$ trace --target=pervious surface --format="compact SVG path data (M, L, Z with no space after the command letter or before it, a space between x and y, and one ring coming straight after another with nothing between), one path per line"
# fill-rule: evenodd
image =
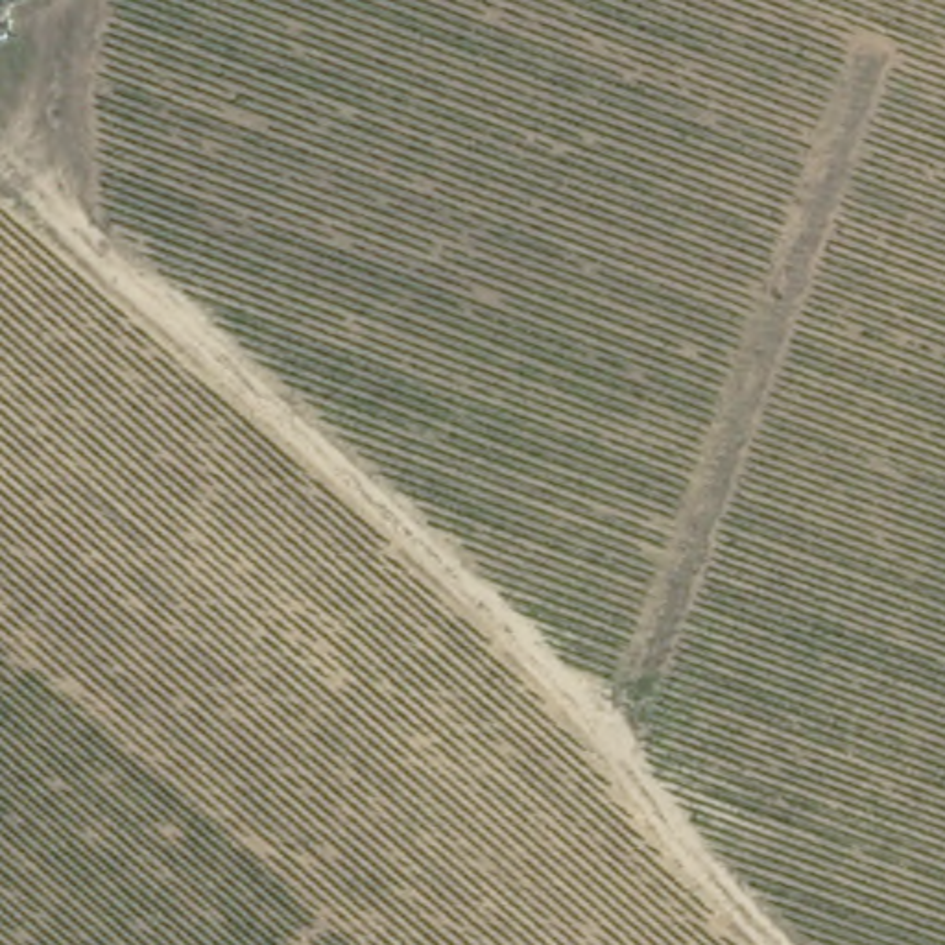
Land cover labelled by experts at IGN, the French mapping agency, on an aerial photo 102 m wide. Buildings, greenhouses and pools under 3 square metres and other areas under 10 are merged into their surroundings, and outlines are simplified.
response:
M321 421L292 413L292 406L281 399L281 377L258 369L255 358L210 321L203 306L188 303L177 284L155 277L151 262L140 266L122 258L118 251L100 251L103 233L96 225L78 207L74 177L66 170L41 173L26 196L37 207L37 214L52 221L59 236L111 284L107 295L126 310L129 325L148 329L185 373L221 391L288 454L295 454L303 465L325 476L332 491L343 495L373 528L380 528L395 546L413 554L428 568L428 576L436 576L436 583L458 598L458 616L473 620L491 639L491 653L498 661L506 653L517 657L528 690L543 694L543 709L561 727L576 731L587 742L583 757L609 775L609 801L628 808L631 827L650 845L661 845L664 867L705 897L709 934L720 945L783 945L786 927L768 915L757 893L727 871L720 856L712 856L709 842L701 842L698 827L690 827L687 812L668 794L668 786L653 779L642 742L635 742L624 712L616 712L609 701L609 687L594 676L565 668L557 653L546 646L539 624L506 605L498 587L480 580L461 561L454 535L432 532L417 513L413 498L369 476L365 461L347 458L343 447L336 447L321 432Z

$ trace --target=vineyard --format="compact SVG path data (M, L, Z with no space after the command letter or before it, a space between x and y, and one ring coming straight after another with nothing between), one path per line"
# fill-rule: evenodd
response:
M528 690L517 657L506 653L498 661L491 653L491 639L473 620L458 616L458 598L436 583L436 576L428 576L428 568L413 554L395 546L380 528L373 528L343 495L332 491L325 476L303 465L295 454L288 454L221 391L185 373L148 329L129 325L126 310L107 295L111 284L59 236L52 221L37 214L37 207L26 196L0 177L0 945L720 945L709 934L705 897L664 867L661 845L650 845L631 827L628 808L609 801L609 775L583 757L587 742L576 731L561 727L543 709L543 694Z
M111 92L96 96L103 148L103 221L96 225L103 233L100 251L118 251L122 258L140 266L151 262L155 277L177 284L188 303L203 306L210 321L255 358L258 369L281 377L281 399L292 406L292 413L321 421L321 432L336 447L343 447L347 458L365 461L369 476L413 498L417 513L432 532L454 535L461 561L480 580L498 587L506 605L539 624L546 646L557 653L565 668L594 676L609 687L609 701L616 712L624 712L635 742L642 742L653 779L668 786L668 794L687 812L690 827L698 827L701 842L709 842L712 856L720 856L727 871L757 893L768 915L786 927L783 945L945 945L945 0L114 0L111 30L103 37L103 78Z

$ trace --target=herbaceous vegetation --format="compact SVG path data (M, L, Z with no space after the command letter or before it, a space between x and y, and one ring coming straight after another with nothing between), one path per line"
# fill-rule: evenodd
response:
M66 170L74 177L78 207L96 225L103 221L103 148L96 96L111 92L103 78L103 37L111 30L114 0L0 0L0 177L26 196L41 173Z

